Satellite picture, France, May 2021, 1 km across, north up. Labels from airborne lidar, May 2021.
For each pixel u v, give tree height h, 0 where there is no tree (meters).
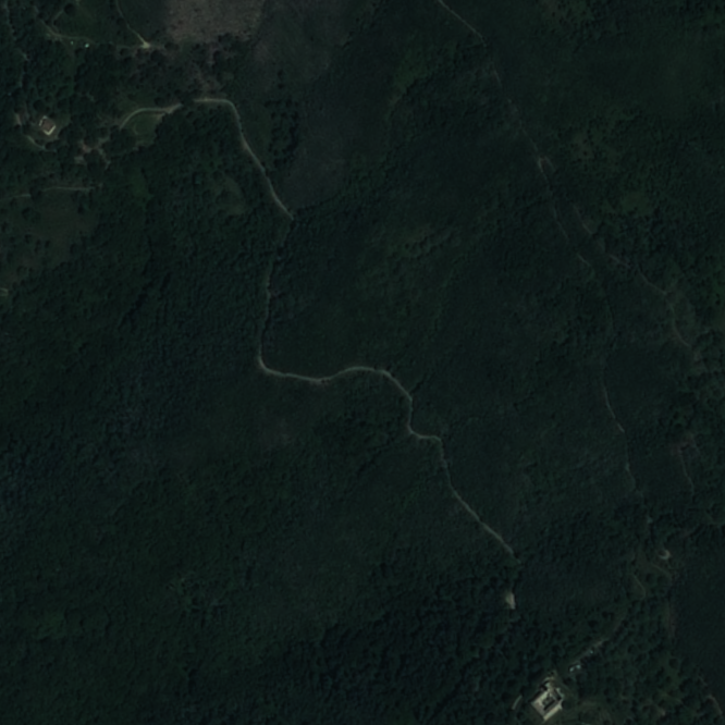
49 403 29
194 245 9
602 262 6
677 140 12
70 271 17
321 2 0
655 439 13
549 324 6
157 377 10
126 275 19
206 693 28
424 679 26
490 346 8
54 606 7
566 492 8
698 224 7
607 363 8
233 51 11
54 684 15
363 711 11
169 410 11
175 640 23
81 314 6
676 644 8
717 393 13
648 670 20
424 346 15
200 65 8
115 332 25
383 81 8
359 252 9
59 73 15
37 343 15
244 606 12
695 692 16
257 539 19
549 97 8
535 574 11
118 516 16
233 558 15
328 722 9
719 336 15
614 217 17
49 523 11
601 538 15
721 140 12
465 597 21
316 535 6
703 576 6
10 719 18
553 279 7
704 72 6
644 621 16
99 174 17
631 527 13
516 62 6
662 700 9
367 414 14
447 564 10
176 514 11
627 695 17
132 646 13
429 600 20
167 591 22
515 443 6
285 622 12
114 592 20
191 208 11
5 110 15
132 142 16
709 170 14
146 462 14
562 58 8
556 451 8
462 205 7
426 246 16
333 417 17
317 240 8
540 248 10
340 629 27
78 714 11
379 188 8
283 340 7
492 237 10
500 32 6
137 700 20
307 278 11
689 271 16
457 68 10
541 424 10
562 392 9
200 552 12
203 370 9
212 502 17
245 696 17
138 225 8
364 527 7
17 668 17
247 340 13
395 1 7
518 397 7
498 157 7
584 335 13
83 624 14
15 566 17
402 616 29
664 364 9
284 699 9
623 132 7
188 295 12
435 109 16
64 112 9
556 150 6
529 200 17
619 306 8
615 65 6
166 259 21
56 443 21
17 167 12
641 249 14
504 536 6
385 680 22
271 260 13
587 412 7
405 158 9
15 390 15
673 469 8
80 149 7
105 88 13
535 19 9
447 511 13
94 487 10
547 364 19
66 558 12
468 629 19
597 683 20
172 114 9
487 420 9
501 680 17
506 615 16
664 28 12
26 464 19
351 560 10
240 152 10
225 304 12
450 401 7
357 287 10
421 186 10
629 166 7
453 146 9
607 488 8
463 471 8
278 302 12
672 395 13
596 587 9
